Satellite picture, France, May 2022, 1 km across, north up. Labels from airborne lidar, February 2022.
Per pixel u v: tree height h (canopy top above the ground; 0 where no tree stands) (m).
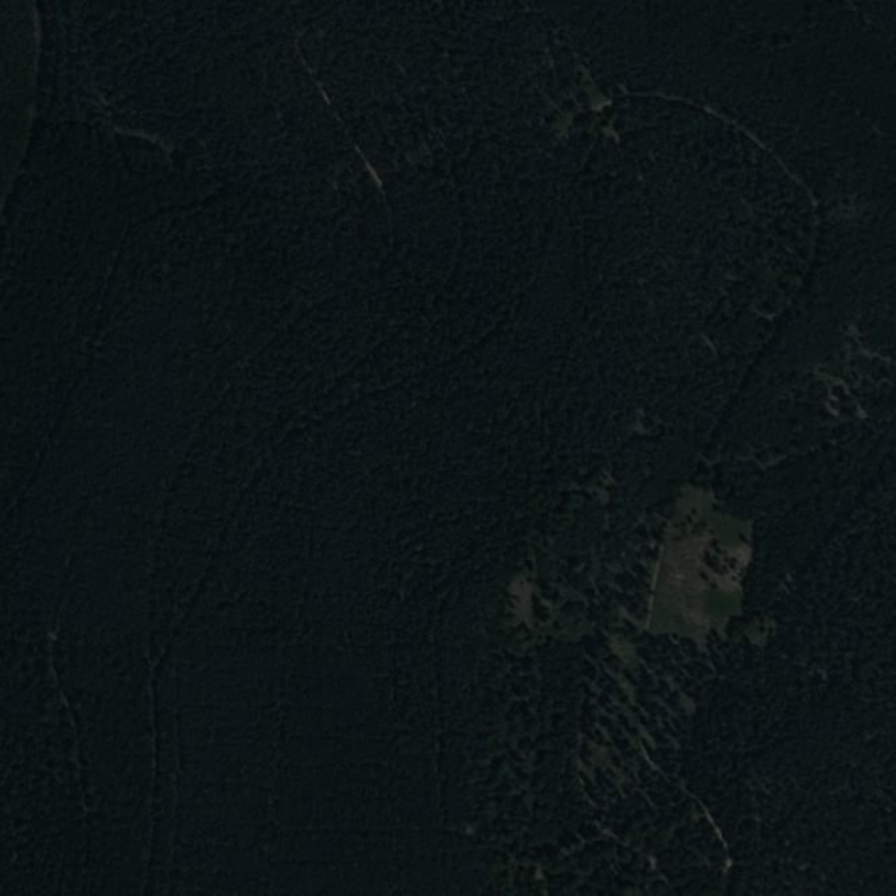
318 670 19
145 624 17
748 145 16
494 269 25
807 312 14
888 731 21
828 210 19
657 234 19
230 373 17
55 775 7
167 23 21
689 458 16
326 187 24
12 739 9
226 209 27
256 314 20
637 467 13
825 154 14
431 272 26
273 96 21
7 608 12
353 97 23
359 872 18
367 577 19
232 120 24
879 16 20
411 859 17
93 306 19
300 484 17
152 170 30
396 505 18
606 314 18
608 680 34
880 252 17
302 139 22
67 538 15
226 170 32
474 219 22
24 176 22
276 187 28
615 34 16
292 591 19
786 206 29
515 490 23
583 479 17
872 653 24
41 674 28
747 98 18
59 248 24
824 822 24
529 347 20
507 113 20
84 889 12
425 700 21
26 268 25
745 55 13
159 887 15
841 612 23
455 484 23
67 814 12
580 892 26
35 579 17
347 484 22
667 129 15
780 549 16
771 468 7
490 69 26
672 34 15
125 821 12
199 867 19
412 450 23
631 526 10
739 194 26
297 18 19
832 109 13
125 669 10
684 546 0
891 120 14
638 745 35
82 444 21
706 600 0
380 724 18
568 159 17
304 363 22
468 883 14
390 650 16
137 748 11
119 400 20
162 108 29
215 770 19
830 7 16
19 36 23
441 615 19
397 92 25
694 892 26
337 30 26
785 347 20
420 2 25
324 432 19
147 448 16
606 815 27
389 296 24
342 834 17
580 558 8
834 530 26
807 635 25
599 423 25
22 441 17
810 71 15
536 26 18
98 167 24
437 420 18
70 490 19
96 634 17
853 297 17
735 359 25
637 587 34
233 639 16
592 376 21
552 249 21
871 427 6
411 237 24
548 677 13
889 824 20
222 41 21
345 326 19
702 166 24
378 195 21
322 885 17
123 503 20
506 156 19
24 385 22
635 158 11
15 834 9
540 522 14
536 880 26
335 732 16
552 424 25
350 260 23
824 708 18
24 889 14
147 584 17
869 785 22
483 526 20
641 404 22
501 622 12
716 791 15
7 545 20
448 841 16
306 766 18
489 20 21
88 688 7
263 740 18
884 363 6
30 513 19
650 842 28
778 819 11
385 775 17
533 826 10
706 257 27
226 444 21
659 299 21
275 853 15
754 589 14
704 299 24
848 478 9
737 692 12
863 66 15
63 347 20
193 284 17
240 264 22
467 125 23
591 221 18
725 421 21
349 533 18
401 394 21
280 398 22
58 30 39
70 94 32
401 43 23
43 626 18
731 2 14
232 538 20
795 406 14
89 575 19
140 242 23
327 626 19
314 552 22
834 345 15
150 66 27
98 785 9
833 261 25
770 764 17
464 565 19
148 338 18
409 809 18
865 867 19
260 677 18
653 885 34
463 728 19
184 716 20
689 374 20
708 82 16
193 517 18
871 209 14
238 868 19
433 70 27
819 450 8
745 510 12
